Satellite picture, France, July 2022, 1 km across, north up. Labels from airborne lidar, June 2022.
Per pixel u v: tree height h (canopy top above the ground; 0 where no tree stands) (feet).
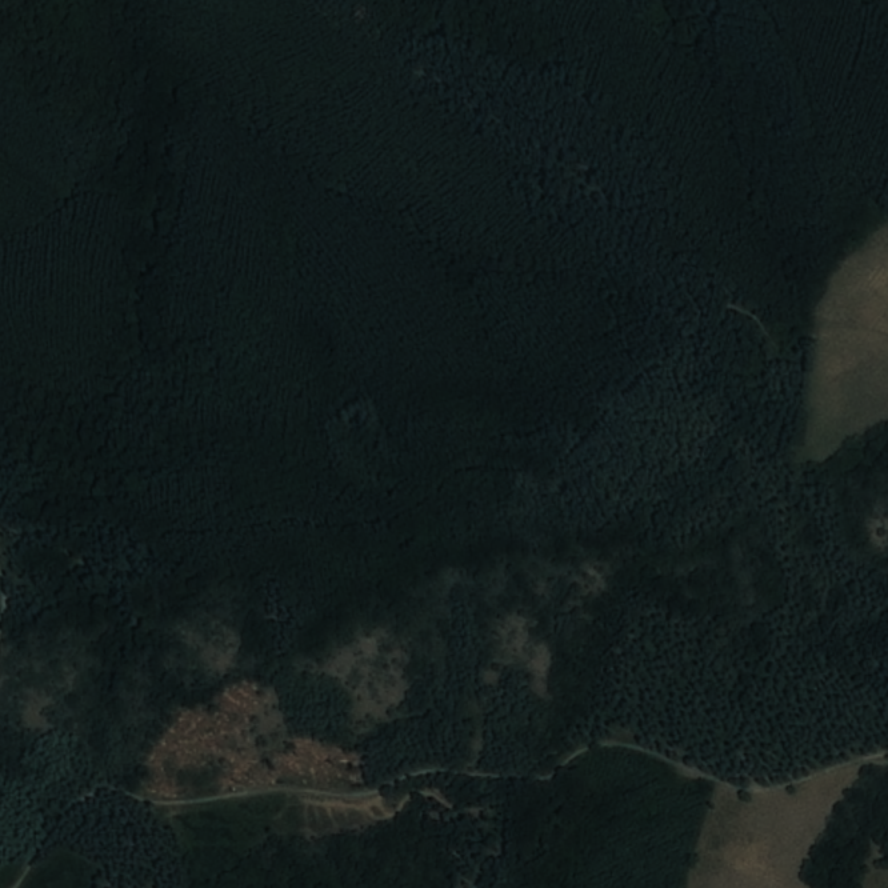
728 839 0
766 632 62
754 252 56
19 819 61
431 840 39
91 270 79
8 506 111
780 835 0
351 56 46
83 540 97
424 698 47
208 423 39
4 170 53
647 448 69
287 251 83
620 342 39
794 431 116
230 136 80
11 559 46
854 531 30
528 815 104
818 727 77
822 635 73
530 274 67
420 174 41
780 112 52
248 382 62
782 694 75
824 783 0
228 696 0
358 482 75
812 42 71
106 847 69
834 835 32
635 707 76
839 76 72
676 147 80
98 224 91
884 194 56
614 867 38
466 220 58
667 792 24
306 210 81
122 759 28
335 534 70
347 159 41
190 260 84
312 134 46
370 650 0
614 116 81
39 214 73
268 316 81
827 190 47
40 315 58
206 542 67
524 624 0
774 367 75
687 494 96
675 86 75
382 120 52
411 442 68
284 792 0
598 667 69
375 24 44
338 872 28
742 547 20
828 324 0
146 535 63
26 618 79
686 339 78
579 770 75
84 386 77
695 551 22
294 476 55
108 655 48
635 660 86
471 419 38
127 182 58
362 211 76
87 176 99
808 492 61
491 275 91
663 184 91
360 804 0
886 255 0
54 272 77
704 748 76
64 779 38
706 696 70
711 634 71
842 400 0
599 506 54
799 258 76
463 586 24
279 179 84
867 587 76
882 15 69
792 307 45
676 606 56
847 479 26
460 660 47
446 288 70
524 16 89
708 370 73
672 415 67
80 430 31
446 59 118
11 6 23
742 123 60
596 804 33
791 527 26
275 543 68
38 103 40
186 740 0
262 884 22
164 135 81
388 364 73
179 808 0
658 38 76
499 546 64
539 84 122
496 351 76
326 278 80
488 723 54
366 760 71
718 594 27
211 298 78
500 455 73
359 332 86
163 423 63
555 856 46
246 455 32
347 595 45
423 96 70
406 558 52
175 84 73
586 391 57
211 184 70
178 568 64
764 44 68
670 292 81
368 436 95
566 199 78
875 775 31
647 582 45
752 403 124
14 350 44
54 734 48
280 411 74
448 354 80
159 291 99
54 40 51
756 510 60
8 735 25
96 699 25
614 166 119
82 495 43
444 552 50
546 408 64
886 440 20
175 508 71
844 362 0
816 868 36
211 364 41
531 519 68
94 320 85
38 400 66
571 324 63
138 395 27
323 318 76
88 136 102
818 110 54
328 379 89
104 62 58
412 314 68
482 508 60
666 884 30
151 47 54
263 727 0
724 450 113
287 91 41
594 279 46
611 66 69
